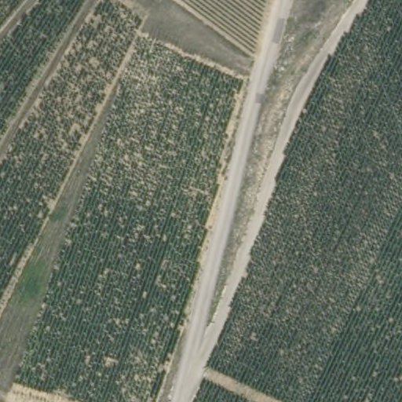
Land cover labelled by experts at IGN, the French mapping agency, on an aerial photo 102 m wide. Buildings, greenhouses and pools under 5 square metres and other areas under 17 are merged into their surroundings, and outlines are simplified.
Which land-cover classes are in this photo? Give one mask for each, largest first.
<instances>
[{"label":"vineyard","instance_id":"1","mask_svg":"<svg viewBox=\"0 0 402 402\"><path fill-rule=\"evenodd\" d=\"M149 19V9L140 0H0V402H170L168 396L179 371L182 350L187 338V327L184 325L185 306L192 295L198 273L199 251L206 240V221L217 196L218 176L228 174L232 152L236 146L240 119L248 97L250 75L239 74L234 69L226 68L223 64L215 63L196 53L185 52L181 47L166 42L165 39L152 38L149 33L143 31ZM171 3L170 13L173 19L185 24H190V20L199 19L204 25L225 36L234 46L254 58V53H258L264 6L270 0H168ZM366 8L353 19L352 27L344 33L333 55H330L323 64L314 88L306 100L305 108L295 122L294 132L284 149L283 163L276 174L275 190L265 209L264 223L251 247L247 276L240 280L236 294L232 297L228 319L218 336L217 345L207 360L203 380L199 383L198 393L193 402H402V0H364Z\"/></svg>","mask_w":402,"mask_h":402},{"label":"pervious surface","instance_id":"2","mask_svg":"<svg viewBox=\"0 0 402 402\"><path fill-rule=\"evenodd\" d=\"M292 6L289 0H270L264 6L258 53H254V58L253 71L250 75L248 97L240 119L236 146L232 152L228 174L218 176L217 196L206 221V240L199 251L198 273L192 295L185 306L184 325L187 327V338L182 350L179 371L168 396L170 402H193L198 393L199 383L203 380L207 360L217 345L218 336L228 319L232 297L236 294L240 280L247 276L251 247L264 223L265 209L275 190L276 174L283 163L284 149L294 132L295 122L305 108L306 100L314 88L323 64L330 55H333L344 33L352 27L353 19L366 8L364 0H353L342 14L339 24L331 31L325 46L320 49L308 71L301 77L291 102L287 105L286 119L280 126V135L278 138L262 140V159L258 165L256 181L248 188L245 198V204L254 210V215L248 223L247 236L243 237L242 245L237 250L231 275L228 276V281L221 292L214 320L209 325L206 323L207 312L214 295L218 269L242 184L243 166L247 162L254 122L258 116L259 102L256 97L267 88L270 72L273 71V64L280 53L287 17Z\"/></svg>","mask_w":402,"mask_h":402},{"label":"herbaceous vegetation","instance_id":"3","mask_svg":"<svg viewBox=\"0 0 402 402\"><path fill-rule=\"evenodd\" d=\"M149 9V19L143 31L149 33L152 38L165 39L166 42L181 47L185 52L196 53L215 63L223 64L226 68L234 69L239 74L250 75L253 71L254 58L234 46L225 36L204 25L199 19L190 20V24H185L173 19L170 13L171 3L168 0H140ZM292 6L287 17L280 53L273 64V71L270 72L267 88L256 97L259 102L258 116L254 122L247 162L243 166L242 184L218 269L214 295L207 312L206 323L209 325L214 320L221 292L228 281V276L231 275L237 250L242 245L243 237L247 236L248 223L254 215V210L245 204V198L248 188L256 181L258 165L262 159V140L278 138L280 135V126L286 119L287 105L291 102L301 77L308 71L320 49L325 46L331 31L339 24L342 14L353 0H289Z\"/></svg>","mask_w":402,"mask_h":402}]
</instances>
